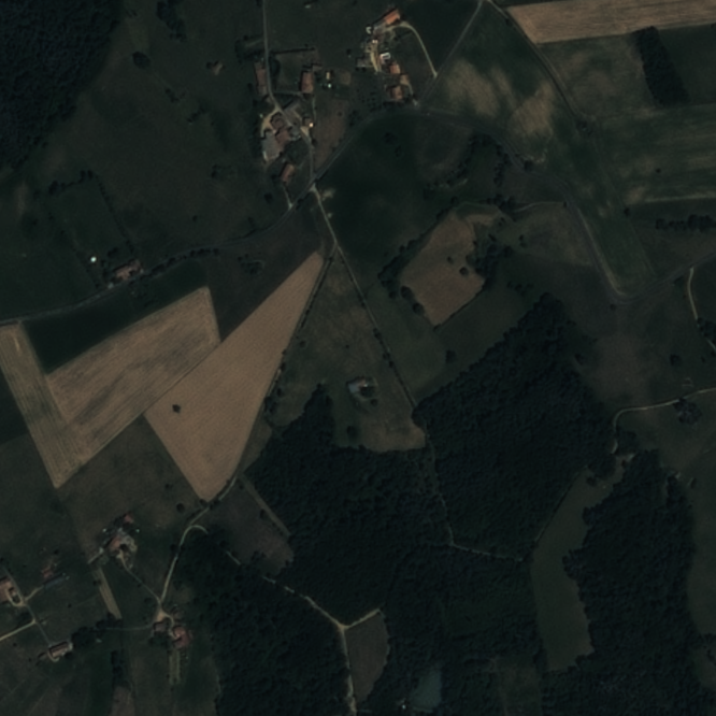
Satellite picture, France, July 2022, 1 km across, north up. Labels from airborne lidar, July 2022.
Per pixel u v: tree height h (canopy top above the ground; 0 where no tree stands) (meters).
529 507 6
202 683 0
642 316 0
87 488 0
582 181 0
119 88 0
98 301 0
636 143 0
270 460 8
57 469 0
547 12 0
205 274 0
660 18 0
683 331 0
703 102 0
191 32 0
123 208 0
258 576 18
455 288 0
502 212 12
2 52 18
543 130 0
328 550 10
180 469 0
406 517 22
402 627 20
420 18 0
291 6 0
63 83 20
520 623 6
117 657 11
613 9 0
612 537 15
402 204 0
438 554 19
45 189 0
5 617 0
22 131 16
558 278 0
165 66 0
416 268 0
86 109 0
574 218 0
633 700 8
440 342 0
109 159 0
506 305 0
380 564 11
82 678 0
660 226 14
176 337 0
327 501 18
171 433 0
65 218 0
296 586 12
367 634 0
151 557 0
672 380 0
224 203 0
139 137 0
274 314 0
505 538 11
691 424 17
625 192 0
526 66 0
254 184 0
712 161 0
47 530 0
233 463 0
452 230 0
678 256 0
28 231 0
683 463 0
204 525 0
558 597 0
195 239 0
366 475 18
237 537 0
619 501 22
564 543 0
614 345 0
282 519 11
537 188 0
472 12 0
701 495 0
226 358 0
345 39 0
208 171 0
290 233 0
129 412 0
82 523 0
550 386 17
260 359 0
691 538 15
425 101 0
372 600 11
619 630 20
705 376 0
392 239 0
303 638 16
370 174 0
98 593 0
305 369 0
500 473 19
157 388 0
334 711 13
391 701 11
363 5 0
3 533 0
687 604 10
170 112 0
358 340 0
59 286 0
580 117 0
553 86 0
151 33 0
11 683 0
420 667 22
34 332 0
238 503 0
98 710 0
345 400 0
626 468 13
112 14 13
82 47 16
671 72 12
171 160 0
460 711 16
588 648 0
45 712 0
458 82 0
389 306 0
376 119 0
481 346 0
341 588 12
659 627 24
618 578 19
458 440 6
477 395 15
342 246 0
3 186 0
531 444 20
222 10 0
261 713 22
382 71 0
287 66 0
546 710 15
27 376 0
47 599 0
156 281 0
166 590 0
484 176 0
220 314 0
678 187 0
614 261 0
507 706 0
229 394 0
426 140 0
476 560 17
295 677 6
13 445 0
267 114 0
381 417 0
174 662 0
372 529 14
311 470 23
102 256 0
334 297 0
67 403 0
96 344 0
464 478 18
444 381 0
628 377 0
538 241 0
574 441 18
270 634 25
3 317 0
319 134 0
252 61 8
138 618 0
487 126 0
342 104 0
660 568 27
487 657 14
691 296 0
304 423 16
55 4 20
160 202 0
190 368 0
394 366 12
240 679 11
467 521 8
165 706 0
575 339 0
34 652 0
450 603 19
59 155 0
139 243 0
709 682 0
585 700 11
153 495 0
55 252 0
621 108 0
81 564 0
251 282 0
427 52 0
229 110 0
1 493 0
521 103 0
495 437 16
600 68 0
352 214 0
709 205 0
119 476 0
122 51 0
